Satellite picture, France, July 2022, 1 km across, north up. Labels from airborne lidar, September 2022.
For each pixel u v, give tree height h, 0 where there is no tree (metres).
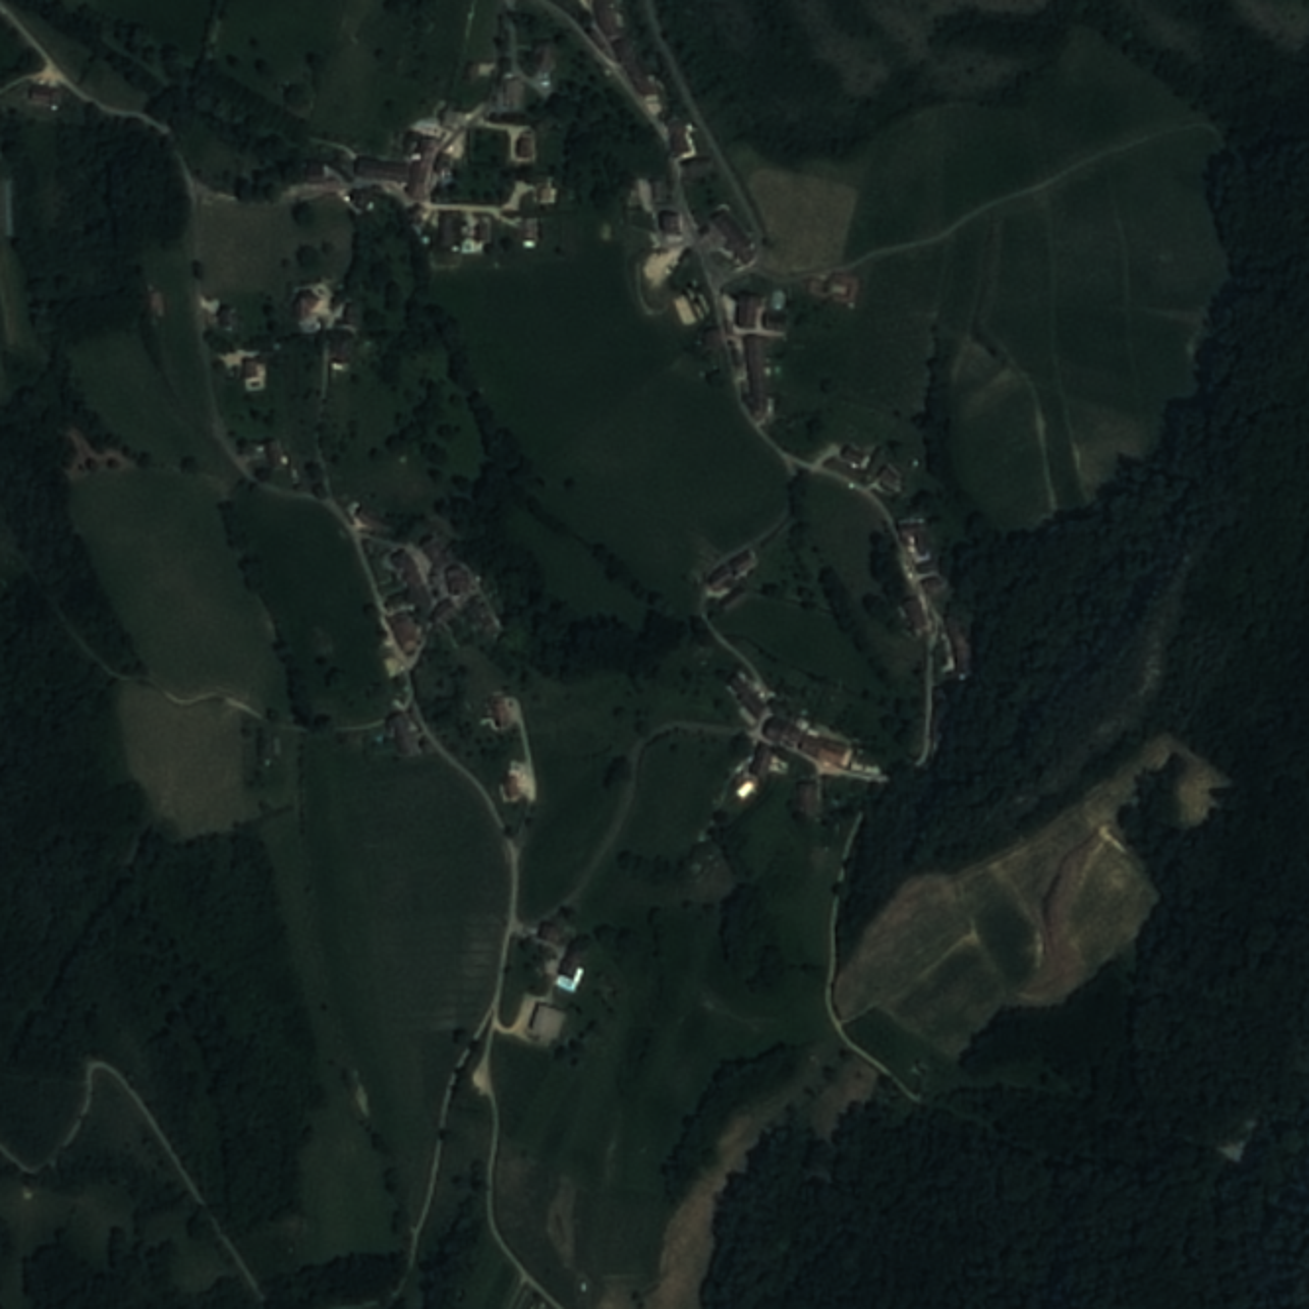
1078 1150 10
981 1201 31
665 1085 0
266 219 0
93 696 13
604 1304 0
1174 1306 25
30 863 10
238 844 10
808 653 0
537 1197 0
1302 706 25
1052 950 0
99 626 9
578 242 0
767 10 7
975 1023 0
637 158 0
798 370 0
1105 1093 17
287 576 0
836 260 0
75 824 21
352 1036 0
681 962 0
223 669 0
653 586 0
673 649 5
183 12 0
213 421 0
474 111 0
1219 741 24
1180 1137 28
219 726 0
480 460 0
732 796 0
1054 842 0
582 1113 0
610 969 0
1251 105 18
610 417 0
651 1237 0
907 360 0
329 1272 10
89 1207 0
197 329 0
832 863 0
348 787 0
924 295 0
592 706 0
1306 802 23
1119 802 0
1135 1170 19
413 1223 0
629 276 0
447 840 0
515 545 7
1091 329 0
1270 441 17
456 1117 0
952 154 0
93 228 14
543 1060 0
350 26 0
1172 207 0
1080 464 0
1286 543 14
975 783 22
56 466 11
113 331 7
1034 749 12
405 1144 0
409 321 9
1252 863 25
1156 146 0
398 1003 0
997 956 0
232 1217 12
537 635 15
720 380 13
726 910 7
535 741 0
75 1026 13
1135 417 0
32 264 5
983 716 20
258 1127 15
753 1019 0
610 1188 0
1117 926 0
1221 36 10
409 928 0
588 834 0
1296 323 27
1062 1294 10
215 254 0
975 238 0
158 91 19
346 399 0
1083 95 0
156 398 0
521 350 0
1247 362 28
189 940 7
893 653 0
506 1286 0
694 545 0
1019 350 0
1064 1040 9
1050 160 0
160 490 0
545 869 0
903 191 0
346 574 0
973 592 24
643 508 0
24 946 15
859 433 0
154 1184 5
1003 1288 21
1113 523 17
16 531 11
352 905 0
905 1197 15
